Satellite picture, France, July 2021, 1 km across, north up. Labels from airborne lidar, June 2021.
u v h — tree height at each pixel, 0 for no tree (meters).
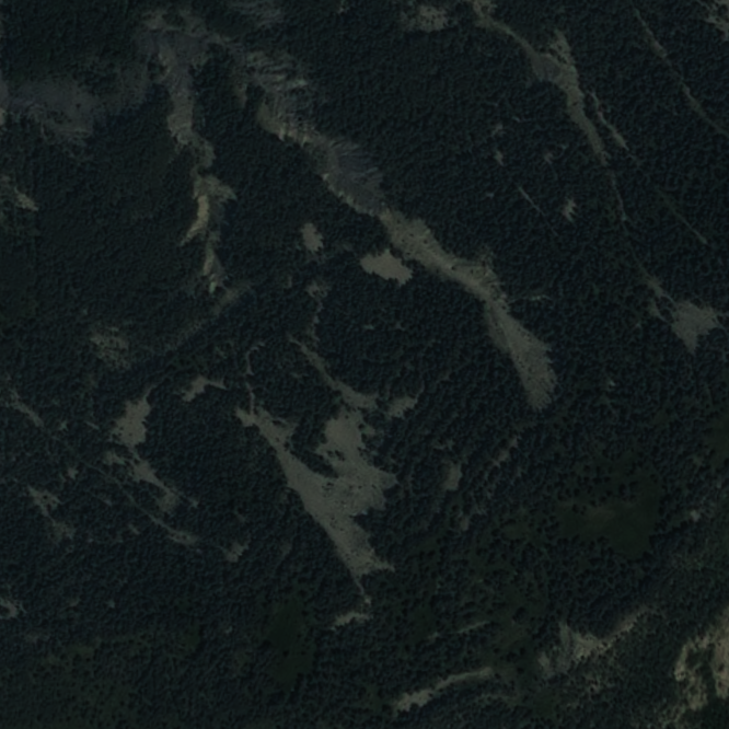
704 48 15
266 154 14
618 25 12
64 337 12
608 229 8
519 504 13
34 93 0
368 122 14
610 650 11
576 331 10
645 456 14
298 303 14
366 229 17
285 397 11
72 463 10
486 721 10
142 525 12
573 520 0
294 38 15
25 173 14
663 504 13
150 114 14
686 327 0
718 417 8
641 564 10
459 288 7
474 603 10
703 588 14
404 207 14
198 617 6
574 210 0
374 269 0
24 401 7
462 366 11
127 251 15
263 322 14
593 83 12
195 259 16
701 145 16
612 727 16
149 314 12
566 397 12
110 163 12
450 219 13
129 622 13
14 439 11
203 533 13
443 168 16
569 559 15
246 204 15
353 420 0
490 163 12
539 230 11
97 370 13
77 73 9
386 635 7
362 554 0
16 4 11
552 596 13
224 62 8
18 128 14
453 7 9
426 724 7
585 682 8
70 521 8
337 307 14
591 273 13
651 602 11
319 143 0
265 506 13
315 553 14
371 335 15
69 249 17
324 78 11
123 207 15
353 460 0
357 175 0
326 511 0
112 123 9
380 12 16
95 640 6
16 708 9
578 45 13
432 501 14
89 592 10
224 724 8
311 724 10
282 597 12
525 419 15
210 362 11
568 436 16
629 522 0
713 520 9
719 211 7
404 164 12
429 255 0
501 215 10
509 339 0
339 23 19
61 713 9
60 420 8
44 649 6
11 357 13
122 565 14
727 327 11
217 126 13
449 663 8
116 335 7
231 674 14
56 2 19
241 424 17
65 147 6
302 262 11
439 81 16
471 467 9
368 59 15
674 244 13
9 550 8
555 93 9
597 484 11
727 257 18
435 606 14
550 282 8
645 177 12
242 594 10
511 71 16
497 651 10
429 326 15
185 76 0
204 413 9
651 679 8
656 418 11
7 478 12
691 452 10
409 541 11
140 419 0
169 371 17
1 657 12
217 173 9
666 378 14
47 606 10
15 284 20
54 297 13
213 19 15
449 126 9
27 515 16
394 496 9
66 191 12
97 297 13
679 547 14
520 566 13
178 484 7
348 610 9
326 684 13
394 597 6
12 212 7
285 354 8
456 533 9
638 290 20
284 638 0
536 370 0
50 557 15
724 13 11
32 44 16
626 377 15
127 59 9
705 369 12
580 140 14
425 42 15
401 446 15
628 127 17
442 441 11
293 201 13
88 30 21
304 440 12
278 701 17
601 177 11
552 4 12
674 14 17
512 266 10
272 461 10
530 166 15
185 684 9
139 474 0
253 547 11
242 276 11
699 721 5
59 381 8
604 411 15
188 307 14
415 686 8
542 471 14
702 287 15
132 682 12
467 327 13
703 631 11
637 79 19
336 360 15
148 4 8
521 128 21
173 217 14
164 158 13
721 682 7
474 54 15
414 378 13
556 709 6
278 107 0
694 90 20
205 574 10
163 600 8
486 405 10
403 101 15
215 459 12
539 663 0
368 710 9
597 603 14
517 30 11
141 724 11
